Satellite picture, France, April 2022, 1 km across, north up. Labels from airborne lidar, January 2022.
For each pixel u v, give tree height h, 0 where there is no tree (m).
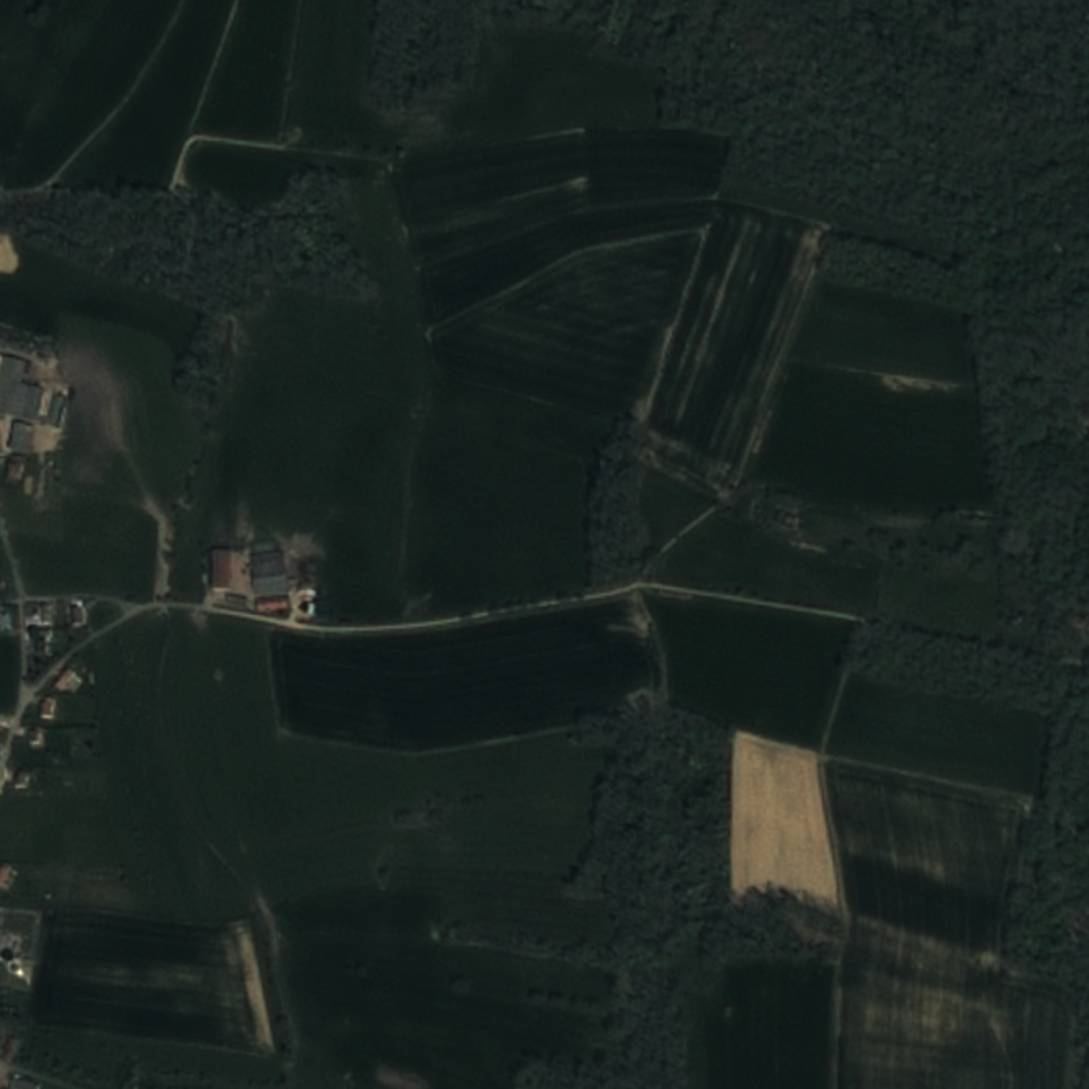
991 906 0
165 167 0
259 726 0
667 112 12
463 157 0
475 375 0
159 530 0
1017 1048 0
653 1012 21
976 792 0
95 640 0
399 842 0
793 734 0
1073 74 28
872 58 15
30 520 0
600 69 0
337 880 0
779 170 19
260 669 0
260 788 0
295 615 0
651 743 22
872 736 0
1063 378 26
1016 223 19
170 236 26
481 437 0
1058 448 15
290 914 0
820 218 0
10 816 0
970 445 0
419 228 0
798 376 0
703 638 0
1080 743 26
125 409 0
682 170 0
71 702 0
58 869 0
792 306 0
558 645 0
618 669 0
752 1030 0
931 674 19
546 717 0
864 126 22
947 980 0
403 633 0
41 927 0
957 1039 0
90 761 0
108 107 0
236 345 0
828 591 0
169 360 0
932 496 0
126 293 0
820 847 0
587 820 0
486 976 0
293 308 0
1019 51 27
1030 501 20
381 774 0
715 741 12
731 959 25
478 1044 0
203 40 0
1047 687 20
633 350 0
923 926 0
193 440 0
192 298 18
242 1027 0
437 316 0
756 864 0
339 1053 0
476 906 0
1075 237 18
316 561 0
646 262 0
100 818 0
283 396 0
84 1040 0
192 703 0
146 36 0
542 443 0
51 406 0
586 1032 0
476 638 0
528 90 0
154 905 0
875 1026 0
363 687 0
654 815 23
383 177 0
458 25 22
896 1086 0
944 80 13
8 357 0
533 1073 19
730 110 18
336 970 0
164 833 0
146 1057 0
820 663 0
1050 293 25
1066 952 26
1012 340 23
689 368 0
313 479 0
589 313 0
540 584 0
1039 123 11
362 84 0
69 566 0
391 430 0
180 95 0
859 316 0
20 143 0
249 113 0
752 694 0
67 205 18
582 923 0
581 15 20
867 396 0
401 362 0
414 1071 0
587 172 0
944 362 0
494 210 0
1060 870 14
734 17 16
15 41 0
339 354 0
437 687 0
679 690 0
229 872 0
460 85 16
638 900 20
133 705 0
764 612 0
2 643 0
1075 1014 0
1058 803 24
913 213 22
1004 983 0
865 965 0
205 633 0
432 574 0
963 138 15
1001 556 11
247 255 30
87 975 0
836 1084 0
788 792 0
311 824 0
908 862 0
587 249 0
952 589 0
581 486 0
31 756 0
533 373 0
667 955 24
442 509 0
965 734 0
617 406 0
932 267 18
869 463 0
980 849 0
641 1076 22
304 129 0
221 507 0
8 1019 6
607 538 21
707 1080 0
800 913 22
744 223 0
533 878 0
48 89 0
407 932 0
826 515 0
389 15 18
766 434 0
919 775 0
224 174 0
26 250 0
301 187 22
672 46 12
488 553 0
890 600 0
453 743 0
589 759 0
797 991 0
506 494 0
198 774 0
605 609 0
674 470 0
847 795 0
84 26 0
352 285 23
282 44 0
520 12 22
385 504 0
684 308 0
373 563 0
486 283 0
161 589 0
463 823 0
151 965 0
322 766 0
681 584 0
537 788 0
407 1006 0
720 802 13
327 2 0
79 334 0
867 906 0
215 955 0
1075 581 21
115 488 0
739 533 0
